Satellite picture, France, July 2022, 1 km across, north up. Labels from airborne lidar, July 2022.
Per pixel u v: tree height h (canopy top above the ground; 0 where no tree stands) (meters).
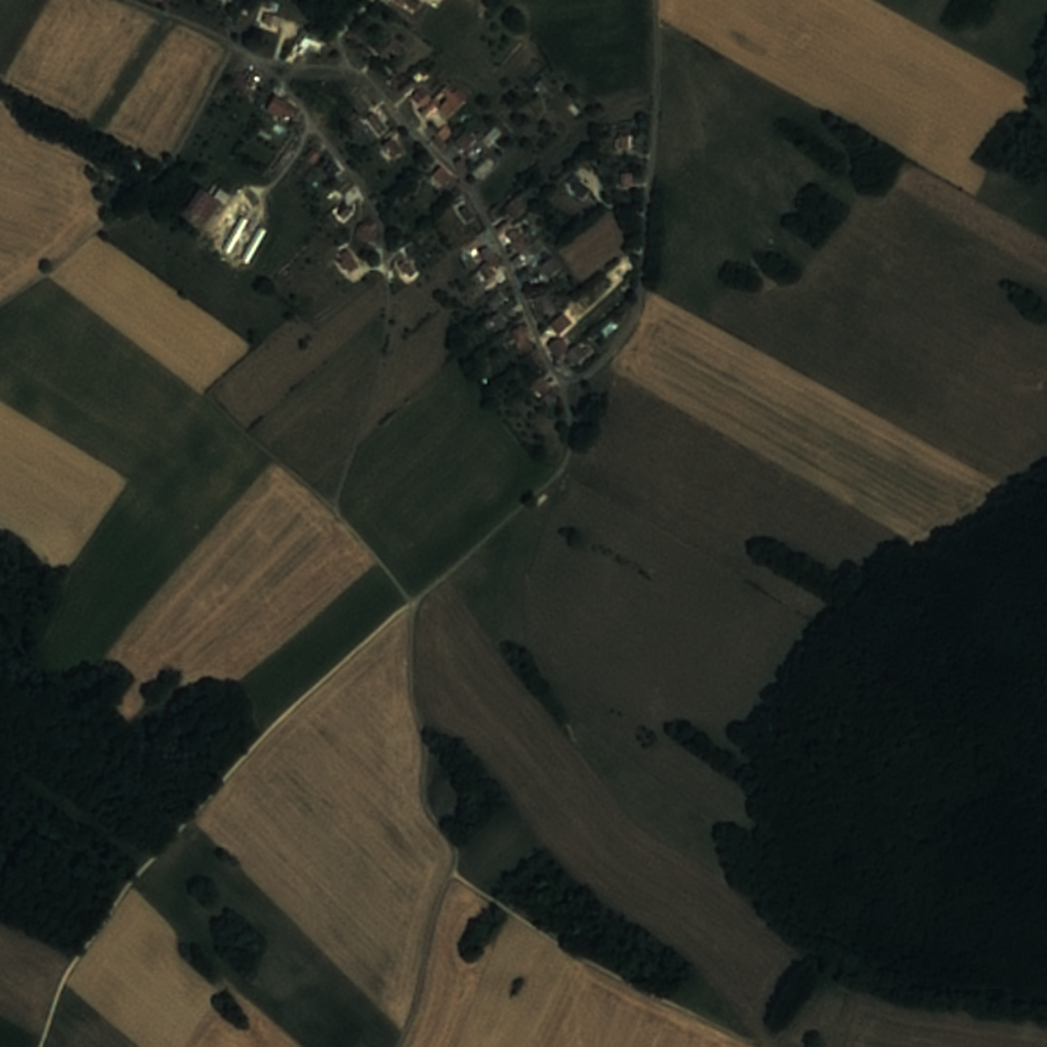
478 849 0
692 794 0
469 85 0
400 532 0
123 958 0
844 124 11
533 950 0
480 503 0
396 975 0
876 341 0
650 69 0
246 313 0
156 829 26
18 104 18
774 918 18
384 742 0
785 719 21
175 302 0
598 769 0
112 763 24
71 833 24
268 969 0
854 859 20
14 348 0
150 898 0
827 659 17
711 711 0
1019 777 19
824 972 18
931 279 0
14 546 9
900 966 14
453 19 0
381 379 0
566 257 0
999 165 11
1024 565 24
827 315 0
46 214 0
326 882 0
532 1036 0
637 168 14
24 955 0
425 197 0
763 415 0
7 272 0
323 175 0
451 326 7
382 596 0
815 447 0
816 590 16
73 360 0
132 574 0
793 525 0
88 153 20
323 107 0
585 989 0
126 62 0
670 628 0
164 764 27
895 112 0
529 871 21
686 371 0
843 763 11
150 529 0
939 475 0
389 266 0
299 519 0
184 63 0
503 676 0
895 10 0
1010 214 0
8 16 0
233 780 0
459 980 0
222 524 0
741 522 0
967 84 0
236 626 0
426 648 0
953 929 13
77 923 27
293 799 0
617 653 0
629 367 0
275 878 0
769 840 17
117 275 0
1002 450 0
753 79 0
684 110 0
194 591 0
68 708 30
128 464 0
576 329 0
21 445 0
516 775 0
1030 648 21
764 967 0
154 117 0
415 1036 0
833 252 0
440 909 0
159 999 0
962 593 22
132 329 0
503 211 8
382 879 0
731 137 0
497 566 0
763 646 0
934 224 0
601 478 0
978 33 0
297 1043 0
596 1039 0
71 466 0
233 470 0
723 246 0
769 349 0
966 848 14
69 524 0
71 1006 0
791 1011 18
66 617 0
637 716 0
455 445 0
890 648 20
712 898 0
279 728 0
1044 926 12
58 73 0
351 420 0
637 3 0
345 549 0
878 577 22
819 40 0
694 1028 0
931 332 0
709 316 0
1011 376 0
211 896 16
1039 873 12
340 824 0
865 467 0
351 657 0
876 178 13
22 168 0
